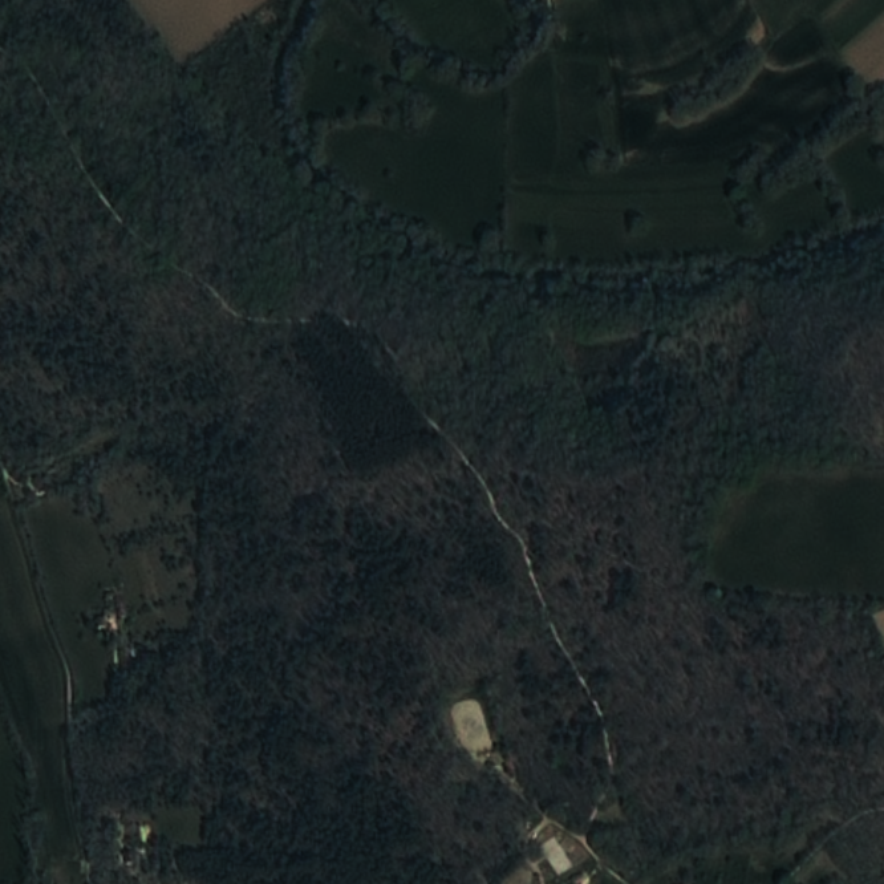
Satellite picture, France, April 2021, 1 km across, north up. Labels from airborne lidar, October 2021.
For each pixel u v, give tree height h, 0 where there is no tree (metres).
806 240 10
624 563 11
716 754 9
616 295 22
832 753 16
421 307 21
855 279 18
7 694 0
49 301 19
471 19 0
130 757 16
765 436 23
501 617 12
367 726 8
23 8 25
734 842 16
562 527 7
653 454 9
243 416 19
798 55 0
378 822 6
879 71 0
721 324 12
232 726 24
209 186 26
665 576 9
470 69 13
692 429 6
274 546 8
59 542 0
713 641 20
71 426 12
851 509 0
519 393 18
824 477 10
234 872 22
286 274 25
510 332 20
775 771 19
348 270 20
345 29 0
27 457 12
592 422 19
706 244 0
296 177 29
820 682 8
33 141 25
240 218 25
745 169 18
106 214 10
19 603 0
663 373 11
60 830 0
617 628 11
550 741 8
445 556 16
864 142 0
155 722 16
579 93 0
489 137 0
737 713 10
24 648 0
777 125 0
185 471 17
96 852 17
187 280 20
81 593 0
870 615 12
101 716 19
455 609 12
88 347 14
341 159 0
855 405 20
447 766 16
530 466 19
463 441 17
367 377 20
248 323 15
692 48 0
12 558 0
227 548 13
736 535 0
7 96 21
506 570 13
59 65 25
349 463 17
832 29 0
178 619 0
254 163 23
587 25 0
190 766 12
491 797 11
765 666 8
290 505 15
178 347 12
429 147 0
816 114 0
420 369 19
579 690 13
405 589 20
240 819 23
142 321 16
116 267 10
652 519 10
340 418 19
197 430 14
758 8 0
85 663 0
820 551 0
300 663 20
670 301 21
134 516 0
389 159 0
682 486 13
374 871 20
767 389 21
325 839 20
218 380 8
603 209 0
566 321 21
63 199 13
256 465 22
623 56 0
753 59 26
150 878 15
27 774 11
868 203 0
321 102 0
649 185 0
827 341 12
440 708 17
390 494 13
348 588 21
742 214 22
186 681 17
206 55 8
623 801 15
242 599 22
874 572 0
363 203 27
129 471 14
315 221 18
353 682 21
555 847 0
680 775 11
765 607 20
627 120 0
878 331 18
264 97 11
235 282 15
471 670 17
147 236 17
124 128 25
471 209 0
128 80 20
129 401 11
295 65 31
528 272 22
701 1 0
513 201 0
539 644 13
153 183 22
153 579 0
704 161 0
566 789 13
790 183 23
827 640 12
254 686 22
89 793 15
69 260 14
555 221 0
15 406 11
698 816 20
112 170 24
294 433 14
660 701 19
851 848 22
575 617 11
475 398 23
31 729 0
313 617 14
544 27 32
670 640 15
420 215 0
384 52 0
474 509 17
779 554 0
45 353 21
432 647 13
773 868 0
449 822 11
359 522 16
